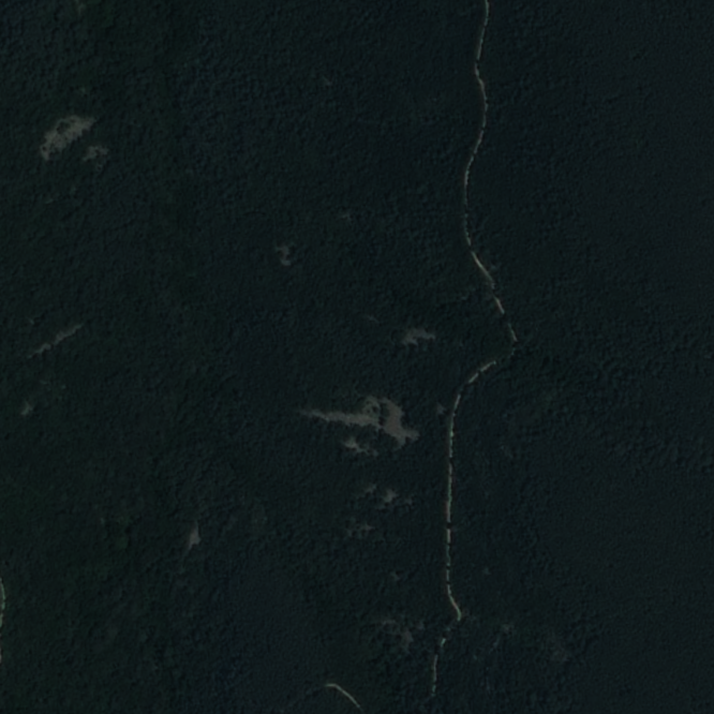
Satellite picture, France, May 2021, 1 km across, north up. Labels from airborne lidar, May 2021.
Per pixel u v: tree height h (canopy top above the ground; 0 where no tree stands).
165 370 15
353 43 12
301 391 18
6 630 12
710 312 16
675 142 17
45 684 21
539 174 11
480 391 9
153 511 13
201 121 19
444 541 11
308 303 10
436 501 10
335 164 17
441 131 10
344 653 11
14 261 17
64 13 22
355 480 17
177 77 18
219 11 8
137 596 22
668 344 17
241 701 16
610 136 13
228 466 21
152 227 14
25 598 14
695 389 17
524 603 8
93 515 19
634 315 7
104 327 12
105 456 17
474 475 8
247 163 13
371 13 12
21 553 18
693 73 23
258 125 16
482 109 10
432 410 10
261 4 9
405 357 9
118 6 12
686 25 23
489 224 10
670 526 20
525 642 7
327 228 13
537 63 11
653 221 14
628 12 19
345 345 17
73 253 21
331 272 12
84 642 15
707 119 18
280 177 11
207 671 10
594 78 17
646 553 22
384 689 16
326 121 13
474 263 8
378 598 14
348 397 8
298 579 13
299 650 19
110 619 22
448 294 15
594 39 17
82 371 16
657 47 22
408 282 9
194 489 15
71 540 18
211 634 26
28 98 12
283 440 19
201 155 7
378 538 9
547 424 16
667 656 16
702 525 17
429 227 13
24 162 17
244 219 15
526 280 8
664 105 19
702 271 16
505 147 7
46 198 22
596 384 13
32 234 19
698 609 21
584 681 18
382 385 15
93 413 9
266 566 18
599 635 16
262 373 9
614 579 21
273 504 13
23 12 15
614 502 22
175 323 9
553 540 18
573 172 12
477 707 9
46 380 9
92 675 17
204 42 18
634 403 13
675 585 22
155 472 23
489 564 10
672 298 15
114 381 18
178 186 17
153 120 6
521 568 9
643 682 19
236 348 9
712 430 21
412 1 10
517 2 12
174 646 20
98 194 18
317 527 18
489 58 6
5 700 17
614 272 14
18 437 15
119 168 16
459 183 12
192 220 14
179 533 10
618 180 14
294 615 16
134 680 19
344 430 8
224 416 13
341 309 12
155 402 15
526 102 13
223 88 8
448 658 14
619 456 22
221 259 8
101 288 19
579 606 19
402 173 15
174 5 21
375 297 9
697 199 17
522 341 11
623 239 7
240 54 12
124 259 21
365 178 10
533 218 9
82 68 17
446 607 14
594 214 15
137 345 11
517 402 10
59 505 20
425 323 17
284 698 23
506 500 8
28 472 12
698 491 20
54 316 17
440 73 6
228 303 12
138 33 12
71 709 15
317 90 13
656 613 21
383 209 11
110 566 6
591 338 14
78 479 18
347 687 11
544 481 16
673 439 13
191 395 14
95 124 8
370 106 12
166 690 17
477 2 8
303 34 12
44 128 12
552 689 17
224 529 19
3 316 14
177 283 18
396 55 9
